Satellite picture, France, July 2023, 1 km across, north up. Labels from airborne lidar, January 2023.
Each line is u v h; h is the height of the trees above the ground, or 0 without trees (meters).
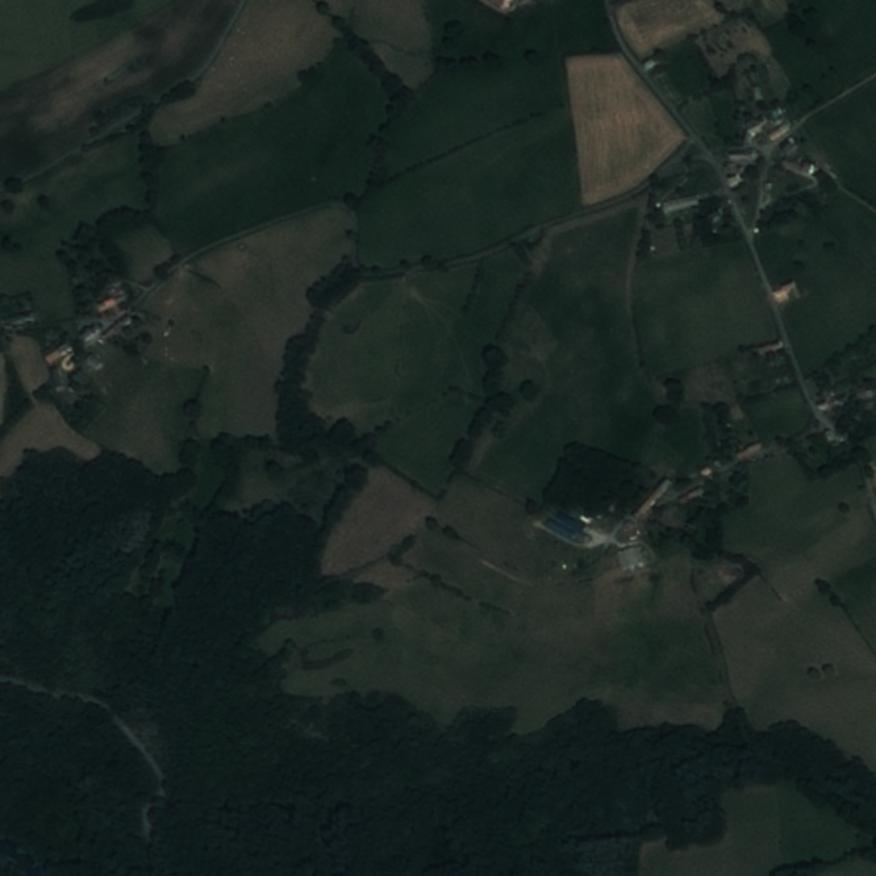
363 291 0
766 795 0
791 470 0
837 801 7
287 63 0
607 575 0
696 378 0
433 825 27
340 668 0
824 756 16
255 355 0
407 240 0
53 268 0
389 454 0
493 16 8
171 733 13
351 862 25
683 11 0
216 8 0
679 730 10
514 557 0
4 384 0
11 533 23
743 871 0
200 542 13
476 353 0
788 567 0
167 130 0
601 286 0
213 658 19
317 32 0
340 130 0
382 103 0
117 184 0
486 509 0
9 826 19
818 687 0
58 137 0
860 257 0
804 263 8
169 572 11
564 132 0
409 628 0
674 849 10
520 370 0
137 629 8
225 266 0
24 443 0
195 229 0
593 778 20
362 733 12
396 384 0
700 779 35
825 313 0
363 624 0
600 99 0
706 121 0
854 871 0
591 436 0
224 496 10
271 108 8
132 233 0
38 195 0
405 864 24
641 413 0
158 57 0
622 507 10
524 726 0
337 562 0
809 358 0
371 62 25
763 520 0
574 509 14
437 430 0
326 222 0
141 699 10
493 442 0
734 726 17
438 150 0
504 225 0
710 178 0
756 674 0
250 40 0
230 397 0
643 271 0
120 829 20
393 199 0
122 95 0
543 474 0
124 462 15
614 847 20
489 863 25
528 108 0
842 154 0
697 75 0
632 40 0
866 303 0
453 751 11
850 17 0
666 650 0
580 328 0
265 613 11
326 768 14
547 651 0
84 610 10
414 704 0
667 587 0
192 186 0
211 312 0
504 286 0
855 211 0
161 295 0
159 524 19
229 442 16
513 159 0
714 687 0
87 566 23
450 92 0
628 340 0
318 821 28
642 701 0
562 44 0
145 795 14
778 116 0
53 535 15
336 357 0
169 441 0
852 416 12
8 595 11
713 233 9
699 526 16
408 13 0
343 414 0
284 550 16
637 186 0
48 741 23
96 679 7
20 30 0
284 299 0
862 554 0
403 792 23
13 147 0
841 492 0
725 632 0
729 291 0
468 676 0
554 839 6
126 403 0
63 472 10
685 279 0
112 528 22
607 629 0
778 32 0
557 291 0
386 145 22
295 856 28
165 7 0
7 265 0
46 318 0
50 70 0
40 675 17
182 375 0
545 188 0
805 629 0
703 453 0
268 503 6
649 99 0
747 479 8
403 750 16
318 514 0
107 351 0
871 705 0
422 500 0
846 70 0
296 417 16
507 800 23
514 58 0
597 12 0
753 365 0
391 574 0
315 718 7
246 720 18
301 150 0
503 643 0
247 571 21
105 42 0
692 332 0
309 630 0
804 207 17
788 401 0
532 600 0
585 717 11
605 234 0
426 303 0
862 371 7
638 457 0
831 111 0
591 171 0
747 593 0
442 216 0
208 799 28
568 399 0
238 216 0
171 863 19
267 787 16
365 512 0
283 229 0
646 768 15
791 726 10
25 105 0
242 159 0
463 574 0
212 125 0
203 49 0
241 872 20
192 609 24
